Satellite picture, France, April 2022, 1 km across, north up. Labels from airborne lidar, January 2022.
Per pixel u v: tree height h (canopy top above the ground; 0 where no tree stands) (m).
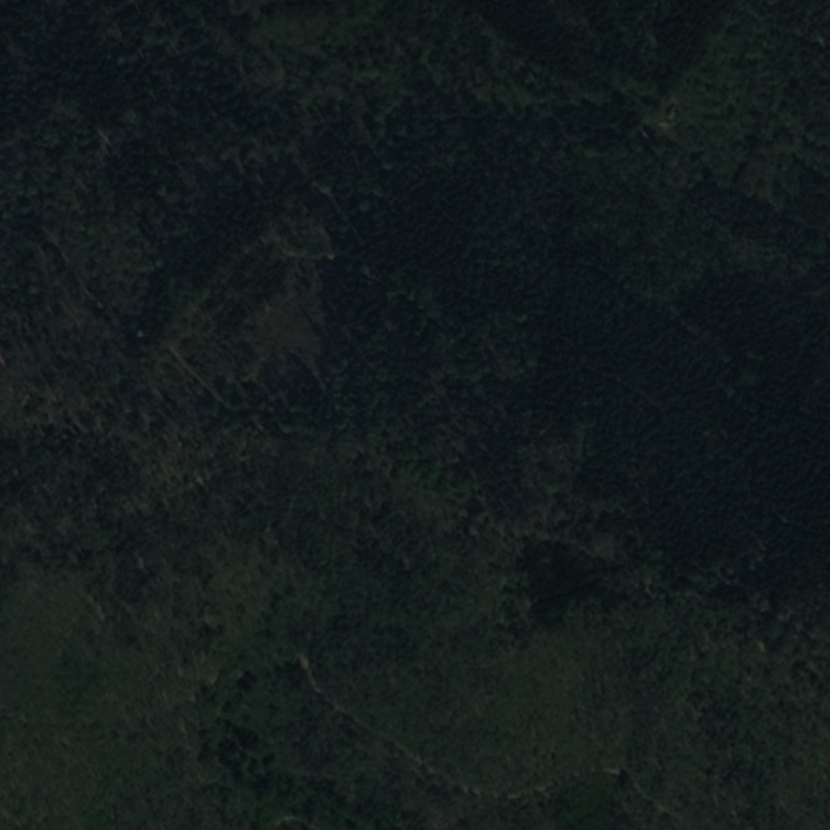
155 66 32
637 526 15
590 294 25
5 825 21
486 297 26
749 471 30
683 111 15
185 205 32
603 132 29
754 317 25
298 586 14
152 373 27
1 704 18
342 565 17
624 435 32
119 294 40
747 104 26
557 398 31
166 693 15
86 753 16
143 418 24
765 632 8
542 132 32
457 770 12
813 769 15
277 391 31
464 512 10
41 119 36
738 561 12
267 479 20
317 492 19
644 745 18
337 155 33
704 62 20
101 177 38
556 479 29
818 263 14
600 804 8
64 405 8
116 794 15
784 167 21
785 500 39
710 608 23
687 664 23
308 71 24
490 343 28
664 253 15
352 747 18
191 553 21
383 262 25
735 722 24
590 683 18
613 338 26
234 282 9
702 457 30
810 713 19
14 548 18
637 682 22
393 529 17
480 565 14
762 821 22
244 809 13
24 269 30
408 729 17
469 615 18
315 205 36
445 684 14
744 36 20
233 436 20
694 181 24
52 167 34
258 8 10
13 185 36
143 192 34
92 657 22
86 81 35
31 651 14
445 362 19
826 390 28
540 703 19
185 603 21
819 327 29
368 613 14
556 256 33
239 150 15
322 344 0
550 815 9
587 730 17
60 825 19
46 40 25
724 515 38
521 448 33
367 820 11
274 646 23
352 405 21
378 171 33
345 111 20
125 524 24
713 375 28
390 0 11
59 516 23
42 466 24
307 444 11
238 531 22
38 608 13
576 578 14
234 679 25
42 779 20
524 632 9
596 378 30
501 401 29
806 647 13
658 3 19
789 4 17
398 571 18
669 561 12
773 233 31
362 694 13
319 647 18
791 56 16
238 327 8
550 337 29
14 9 40
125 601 24
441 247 33
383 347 27
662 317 30
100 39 36
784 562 25
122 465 23
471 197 30
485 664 15
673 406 26
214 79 34
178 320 23
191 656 20
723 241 21
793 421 35
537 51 21
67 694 20
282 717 21
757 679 22
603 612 15
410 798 20
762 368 25
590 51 26
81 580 22
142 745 20
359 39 13
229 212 35
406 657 17
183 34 29
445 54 13
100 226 35
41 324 35
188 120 33
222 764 25
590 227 19
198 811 16
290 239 20
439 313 29
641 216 20
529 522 24
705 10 29
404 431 23
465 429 29
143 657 22
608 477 31
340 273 12
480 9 19
